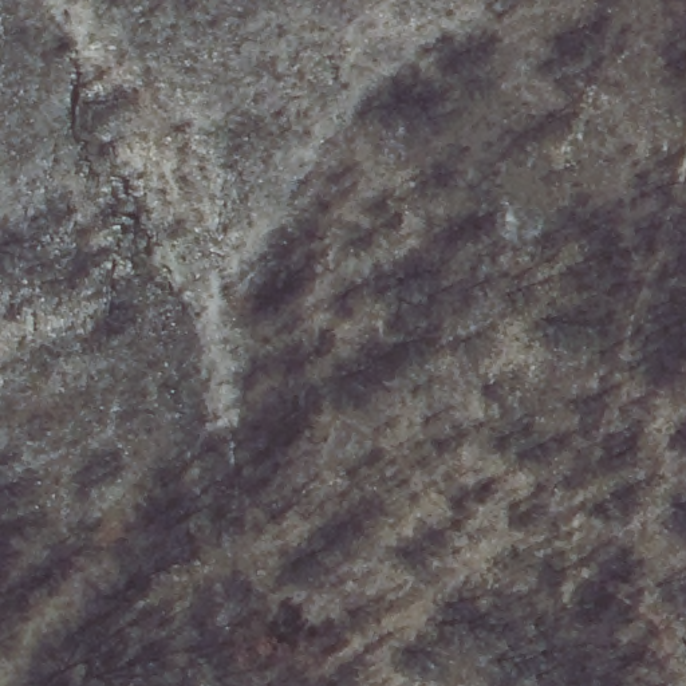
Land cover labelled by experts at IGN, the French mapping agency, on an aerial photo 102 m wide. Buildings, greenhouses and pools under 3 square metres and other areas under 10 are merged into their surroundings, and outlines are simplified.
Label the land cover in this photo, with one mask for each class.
<instances>
[{"label":"coniferous trees","instance_id":"1","mask_svg":"<svg viewBox=\"0 0 686 686\"><path fill-rule=\"evenodd\" d=\"M608 21L619 27L630 24L627 48L614 59L611 67H603L598 72V80L587 88L581 99V113L573 121V129L563 137V142L571 145L565 166L555 169V142H531L525 153H517L498 166L501 209L504 214H515V222L498 220L493 212L448 217V228L426 241H421L423 228L405 230L399 225V230H389L383 238H375V244L364 252L351 249L346 241L348 236L340 228H330L324 233L327 257L316 263V281L303 295V322L311 319V327L319 330L316 346L303 348V343H295L281 348L279 354L252 356L247 372L257 381L263 375H281L276 402L263 405L255 421L238 418L236 426L212 431L204 448L193 453V458H185L177 466H161L155 472H147L134 482V490L145 498V504H134L137 517L131 523H123L121 536L113 541V560L118 565V573L126 579L121 587H113L110 592L102 590L99 595L83 600L80 573H72V563L80 555L64 539L51 544L46 563L29 565L27 576L13 581L8 571L19 552L11 547V539H21L27 528H46L48 509L0 523V686H686V0H614V5L608 8ZM332 348L343 359L332 367L330 378L311 383L305 367L319 362Z\"/></svg>","mask_w":686,"mask_h":686},{"label":"bare soil","instance_id":"2","mask_svg":"<svg viewBox=\"0 0 686 686\"><path fill-rule=\"evenodd\" d=\"M614 5V0H0V523L48 509L46 528H27L21 539H11V547L19 552L8 571L13 581L27 576L29 565L46 563L51 544L64 539L80 555L72 563V573H80L83 600L99 595L102 590L110 592L113 587H121L126 579L118 573V565L113 560V541L121 536L123 523H131L137 517L134 504H145V498L134 490V482L147 472H155L161 466H177L185 458H193V453L204 448L212 431L236 426L238 418L255 421L263 405L276 402L281 375H263L257 381L247 372L252 356L279 354L281 348L295 343H303V348L316 346L319 330L311 327V319L303 322V295L316 281V263L327 257L324 233L330 228H340L348 236L346 241L351 249L364 252L375 244V238H383L389 230H399V225L405 230L423 228L421 241H426L448 228V217L493 212L498 220L515 222V214H504L501 209L498 166L517 153H525L531 142H555V169L565 166L571 145L563 142V137L573 129V121L581 113V99L587 88L598 80V72L603 67H611L614 59L627 48L630 24L619 27L608 21V8ZM343 359L332 348L319 362L305 367L311 383L330 378L332 367Z\"/></svg>","mask_w":686,"mask_h":686}]
</instances>
